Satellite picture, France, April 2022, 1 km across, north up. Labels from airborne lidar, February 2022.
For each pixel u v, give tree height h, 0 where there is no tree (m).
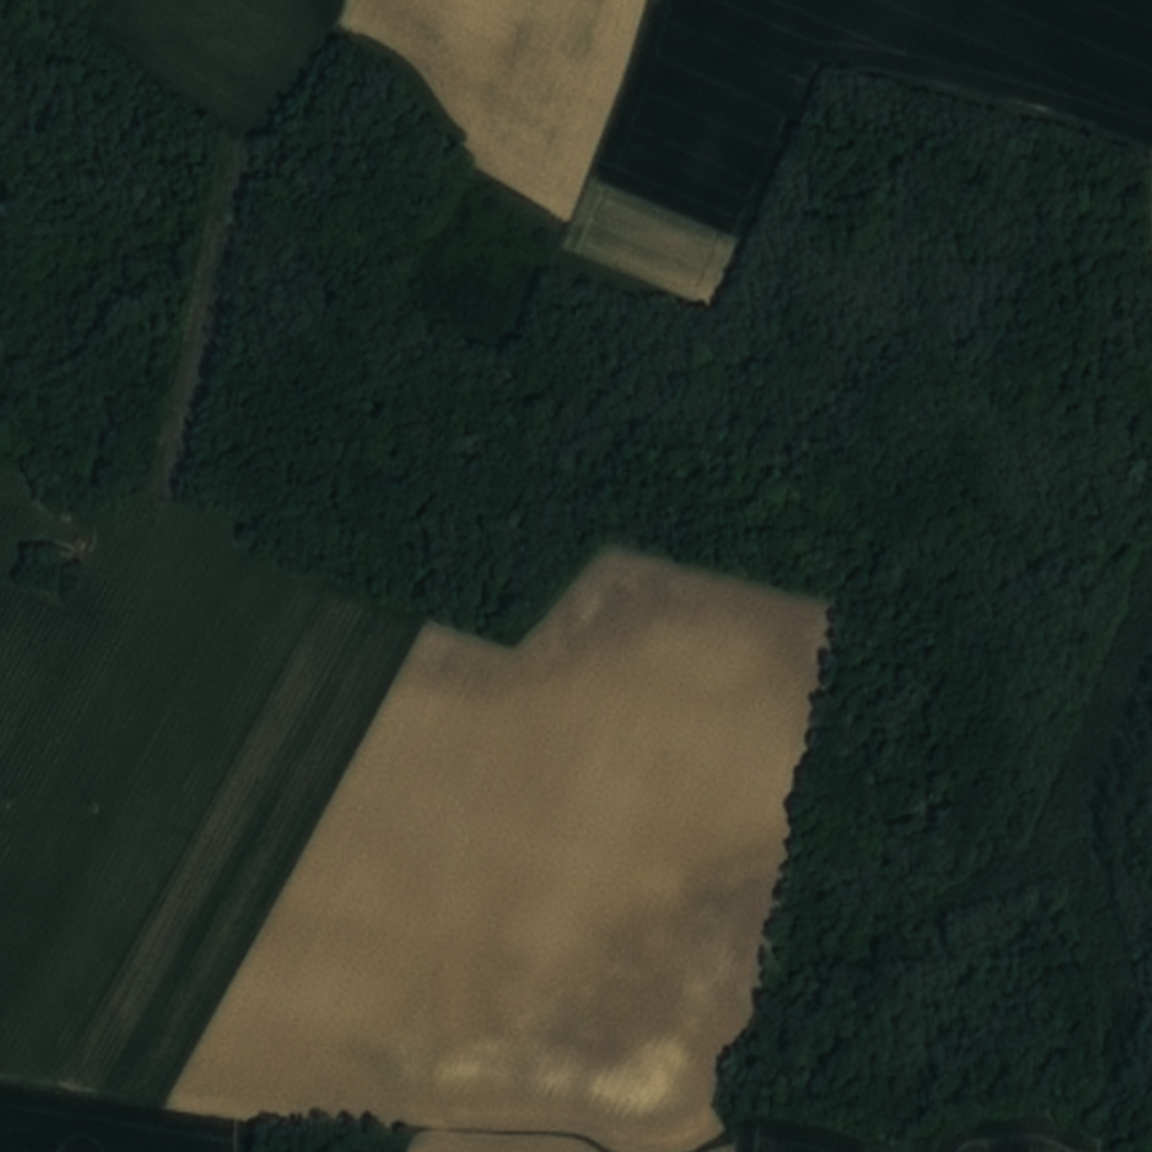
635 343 30
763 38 0
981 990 21
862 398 24
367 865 0
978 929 26
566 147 0
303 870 0
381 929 0
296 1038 0
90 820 0
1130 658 9
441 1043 0
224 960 0
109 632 0
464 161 17
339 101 21
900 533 18
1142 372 21
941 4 0
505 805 0
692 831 0
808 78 0
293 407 22
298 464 22
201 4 0
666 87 0
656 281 0
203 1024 0
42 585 13
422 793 0
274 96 0
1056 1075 20
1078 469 29
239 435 24
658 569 0
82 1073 0
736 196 0
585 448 27
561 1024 0
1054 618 22
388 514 24
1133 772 14
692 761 0
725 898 0
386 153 26
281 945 0
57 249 23
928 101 16
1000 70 0
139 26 0
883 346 22
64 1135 0
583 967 0
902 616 11
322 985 0
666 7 0
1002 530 26
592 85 0
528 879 0
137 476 20
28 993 0
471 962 0
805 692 0
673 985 0
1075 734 20
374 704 0
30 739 0
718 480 12
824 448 23
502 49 0
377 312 29
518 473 26
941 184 22
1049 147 21
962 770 24
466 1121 0
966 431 24
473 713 0
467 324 6
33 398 16
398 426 27
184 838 0
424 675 0
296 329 26
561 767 0
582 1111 0
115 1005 0
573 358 25
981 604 25
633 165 0
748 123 0
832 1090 20
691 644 0
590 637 0
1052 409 22
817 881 19
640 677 0
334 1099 0
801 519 18
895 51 0
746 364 24
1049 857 8
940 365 25
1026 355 23
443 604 15
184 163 11
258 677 0
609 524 16
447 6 0
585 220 0
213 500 22
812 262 22
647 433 20
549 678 0
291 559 18
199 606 0
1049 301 23
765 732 0
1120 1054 8
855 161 22
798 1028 30
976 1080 19
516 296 6
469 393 28
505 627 12
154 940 0
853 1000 9
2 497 0
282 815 0
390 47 0
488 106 0
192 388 0
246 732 0
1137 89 0
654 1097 0
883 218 23
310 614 0
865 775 11
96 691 0
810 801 16
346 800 0
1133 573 7
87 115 27
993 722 21
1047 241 25
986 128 19
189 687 0
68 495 23
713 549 11
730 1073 18
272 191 23
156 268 20
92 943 0
